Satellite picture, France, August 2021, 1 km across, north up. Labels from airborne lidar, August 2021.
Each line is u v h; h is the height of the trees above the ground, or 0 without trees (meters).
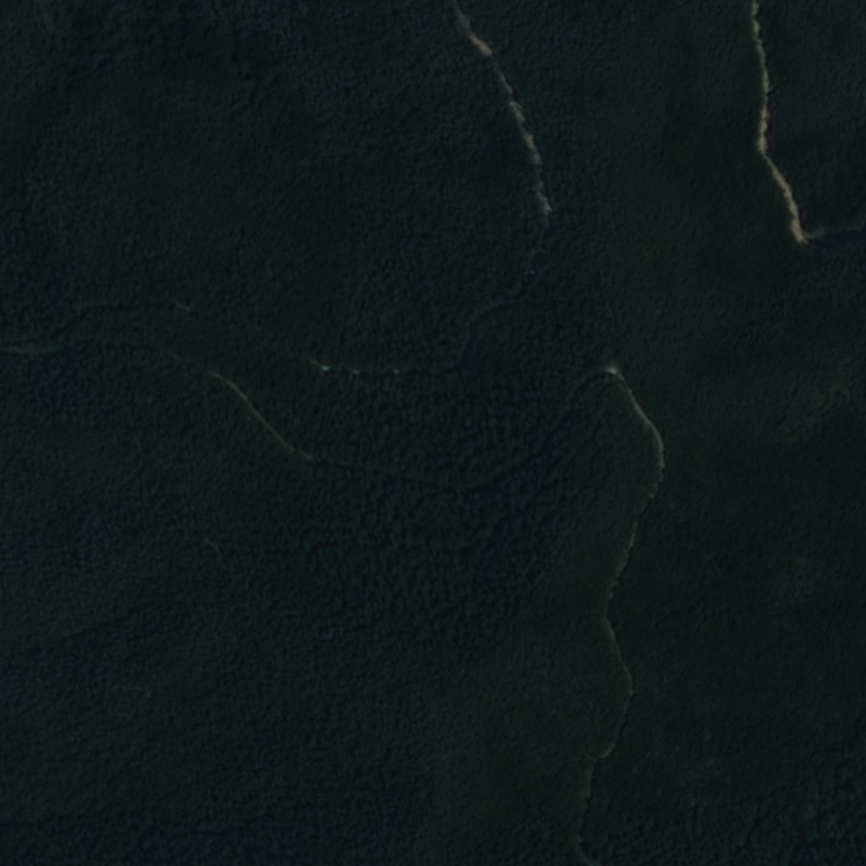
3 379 18
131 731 11
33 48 19
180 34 19
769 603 11
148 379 19
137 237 27
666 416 16
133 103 19
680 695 15
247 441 16
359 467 9
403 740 15
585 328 24
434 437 24
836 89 15
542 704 14
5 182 27
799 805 21
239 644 14
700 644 22
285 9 19
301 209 26
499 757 14
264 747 23
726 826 24
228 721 13
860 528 21
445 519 20
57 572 8
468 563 25
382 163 17
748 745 22
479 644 23
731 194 17
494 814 12
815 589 13
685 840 17
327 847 21
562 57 19
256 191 23
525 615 17
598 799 18
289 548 22
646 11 16
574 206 15
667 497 16
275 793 17
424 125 19
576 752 16
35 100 21
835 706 19
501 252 20
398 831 20
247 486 19
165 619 14
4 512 10
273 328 20
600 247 15
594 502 13
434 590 19
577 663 17
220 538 15
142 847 14
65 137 24
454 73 12
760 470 20
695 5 19
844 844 22
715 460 18
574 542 12
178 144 18
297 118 23
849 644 19
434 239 30
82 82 25
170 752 8
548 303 19
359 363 15
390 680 16
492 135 17
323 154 21
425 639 18
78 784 11
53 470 13
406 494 28
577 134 19
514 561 23
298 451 9
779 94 14
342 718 13
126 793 15
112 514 13
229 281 21
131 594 16
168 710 10
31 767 11
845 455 19
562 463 26
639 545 6
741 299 24
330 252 26
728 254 20
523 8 21
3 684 14
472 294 20
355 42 18
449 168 20
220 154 20
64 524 13
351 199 18
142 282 23
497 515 22
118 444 10
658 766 17
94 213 17
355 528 24
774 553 13
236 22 12
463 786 9
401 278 24
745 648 19
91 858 23
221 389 13
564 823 19
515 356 20
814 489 17
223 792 18
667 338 18
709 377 18
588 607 18
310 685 13
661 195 14
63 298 24
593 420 15
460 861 20
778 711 17
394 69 15
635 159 17
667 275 17
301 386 17
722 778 22
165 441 18
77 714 10
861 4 20
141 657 14
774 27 22
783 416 11
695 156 19
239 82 23
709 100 18
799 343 19
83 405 20
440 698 15
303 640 15
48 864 27
